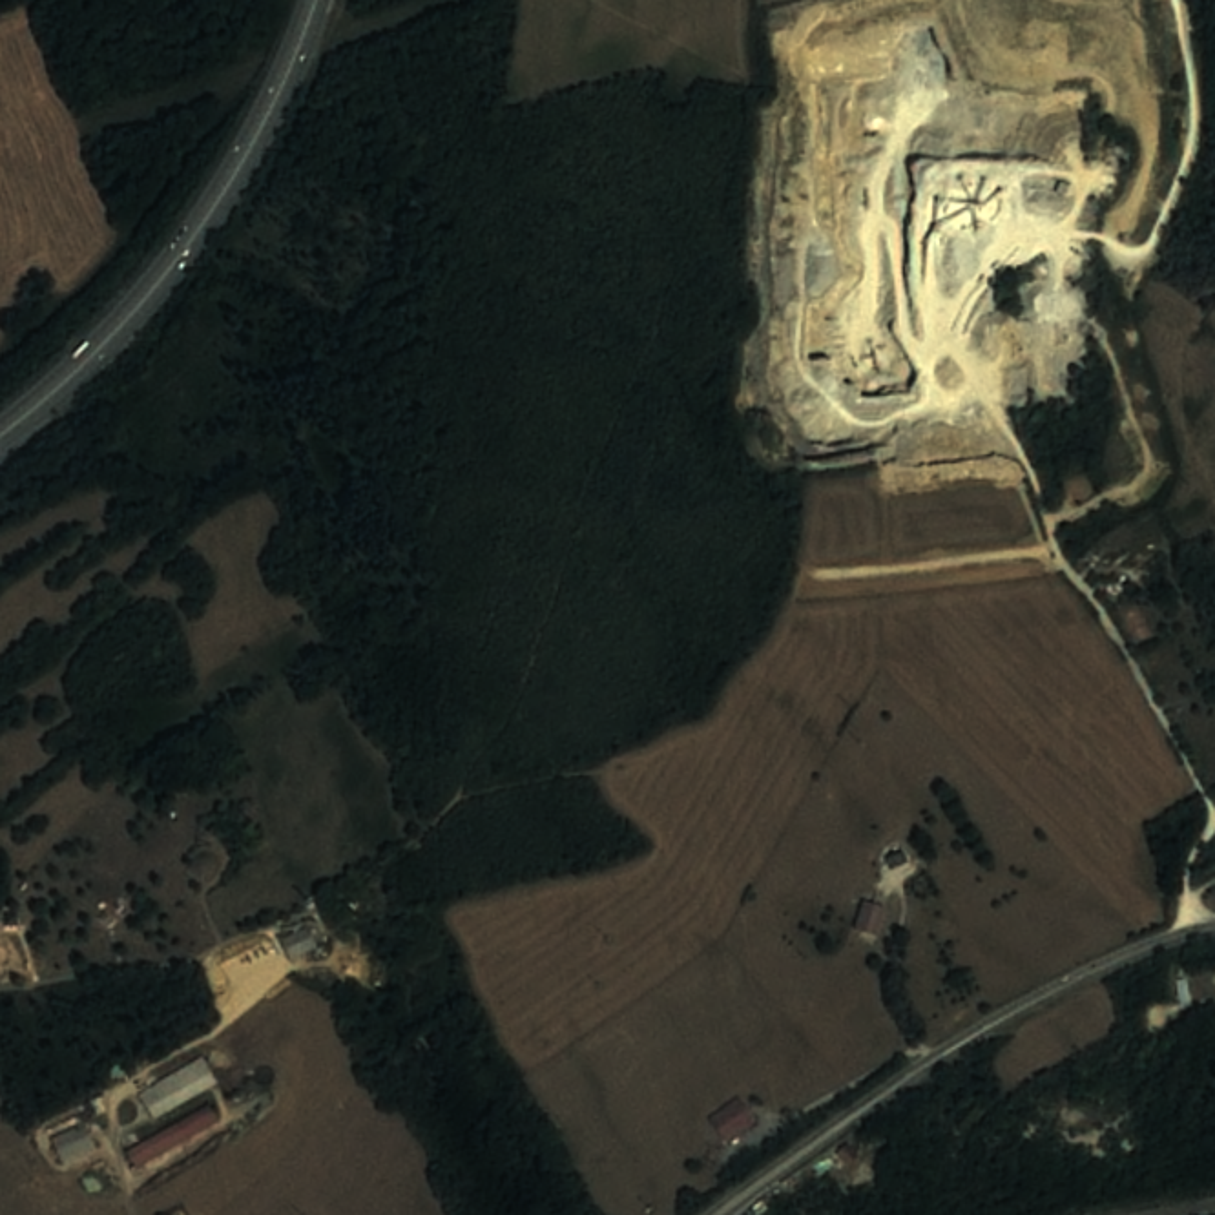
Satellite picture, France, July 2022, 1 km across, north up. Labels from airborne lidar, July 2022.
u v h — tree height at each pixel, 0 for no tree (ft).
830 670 0
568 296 24
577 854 22
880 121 0
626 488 24
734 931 0
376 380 62
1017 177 0
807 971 0
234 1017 0
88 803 0
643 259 25
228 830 36
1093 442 33
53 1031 56
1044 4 0
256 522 0
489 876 23
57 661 22
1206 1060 80
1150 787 0
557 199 23
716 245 18
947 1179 53
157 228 22
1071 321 0
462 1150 43
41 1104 43
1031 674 0
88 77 80
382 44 56
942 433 0
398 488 78
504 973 0
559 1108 0
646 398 31
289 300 64
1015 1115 38
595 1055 0
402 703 29
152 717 0
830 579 0
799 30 0
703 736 0
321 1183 0
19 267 0
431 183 24
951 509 0
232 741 51
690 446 22
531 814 22
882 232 0
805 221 0
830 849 0
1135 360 0
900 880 0
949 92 0
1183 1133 69
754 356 0
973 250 0
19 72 0
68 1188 0
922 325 0
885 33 0
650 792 0
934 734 0
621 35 0
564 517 21
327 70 38
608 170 18
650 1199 0
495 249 23
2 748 0
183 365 0
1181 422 0
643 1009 0
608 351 29
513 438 28
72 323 25
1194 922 0
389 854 39
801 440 0
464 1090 46
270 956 0
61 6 80
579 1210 52
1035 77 0
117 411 77
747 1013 0
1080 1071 53
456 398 21
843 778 0
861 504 0
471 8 53
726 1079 0
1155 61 0
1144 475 0
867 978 0
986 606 0
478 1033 58
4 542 0
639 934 0
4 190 0
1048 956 0
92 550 32
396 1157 0
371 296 55
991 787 0
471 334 33
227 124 28
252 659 0
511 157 33
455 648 31
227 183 0
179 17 67
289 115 35
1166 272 50
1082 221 0
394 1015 71
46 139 0
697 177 21
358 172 73
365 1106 0
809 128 0
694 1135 0
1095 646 0
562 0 0
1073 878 0
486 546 19
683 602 26
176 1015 60
